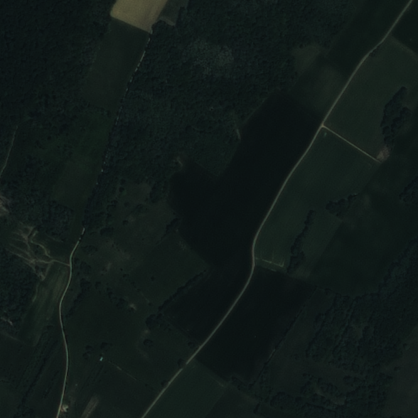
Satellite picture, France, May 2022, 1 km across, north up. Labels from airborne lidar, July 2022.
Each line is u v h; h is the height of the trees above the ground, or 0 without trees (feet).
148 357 0
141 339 0
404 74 0
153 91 49
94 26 91
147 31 0
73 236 0
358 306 53
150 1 0
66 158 21
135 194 0
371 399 48
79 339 0
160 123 48
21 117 80
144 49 0
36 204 76
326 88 0
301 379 0
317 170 0
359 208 0
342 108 0
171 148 63
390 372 0
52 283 0
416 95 0
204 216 0
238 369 0
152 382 0
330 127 0
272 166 0
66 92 75
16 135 21
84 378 0
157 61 23
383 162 0
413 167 0
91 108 43
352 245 0
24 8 97
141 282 0
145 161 58
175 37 41
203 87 41
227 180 0
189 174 0
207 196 0
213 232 0
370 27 0
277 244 0
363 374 36
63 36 86
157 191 51
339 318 52
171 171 56
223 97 43
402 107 21
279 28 58
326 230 0
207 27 52
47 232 58
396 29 0
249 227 0
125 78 0
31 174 82
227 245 0
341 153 0
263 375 22
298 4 34
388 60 0
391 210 0
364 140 0
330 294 48
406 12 0
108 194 57
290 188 0
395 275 65
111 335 0
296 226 0
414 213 0
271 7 48
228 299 0
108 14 44
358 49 0
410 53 0
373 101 0
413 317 31
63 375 0
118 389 0
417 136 0
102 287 47
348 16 72
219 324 0
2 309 81
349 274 0
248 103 69
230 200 0
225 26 59
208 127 46
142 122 58
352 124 0
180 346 0
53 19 79
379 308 64
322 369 0
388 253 0
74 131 27
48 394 22
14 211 72
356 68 0
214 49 67
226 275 0
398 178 0
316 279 0
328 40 60
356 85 0
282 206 0
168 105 39
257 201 0
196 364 0
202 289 0
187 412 0
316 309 0
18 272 91
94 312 0
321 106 0
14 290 89
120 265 0
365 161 0
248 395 42
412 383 0
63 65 84
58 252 0
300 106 0
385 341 52
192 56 72
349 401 41
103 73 0
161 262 0
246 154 0
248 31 38
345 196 0
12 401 0
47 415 0
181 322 0
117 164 61
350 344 51
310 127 0
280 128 0
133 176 44
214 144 62
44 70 86
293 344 0
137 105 51
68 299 0
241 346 0
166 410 0
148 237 0
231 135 30
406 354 0
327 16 68
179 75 52
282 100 0
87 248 19
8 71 85
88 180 0
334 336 38
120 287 0
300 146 0
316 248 0
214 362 0
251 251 0
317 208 0
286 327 0
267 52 60
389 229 0
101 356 27
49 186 25
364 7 0
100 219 52
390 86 0
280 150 0
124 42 0
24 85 101
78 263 47
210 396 0
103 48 0
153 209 0
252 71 45
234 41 71
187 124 36
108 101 0
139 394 0
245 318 0
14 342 0
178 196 0
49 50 92
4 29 88
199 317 0
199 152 61
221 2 53
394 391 0
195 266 0
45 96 29
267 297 0
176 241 0
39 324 0
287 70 70
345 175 0
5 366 0
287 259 0
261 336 0
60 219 75
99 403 0
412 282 79
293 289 0
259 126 0
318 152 0
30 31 95
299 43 46
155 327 39
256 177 0
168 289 0
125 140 59
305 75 0
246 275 0
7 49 96
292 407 52
